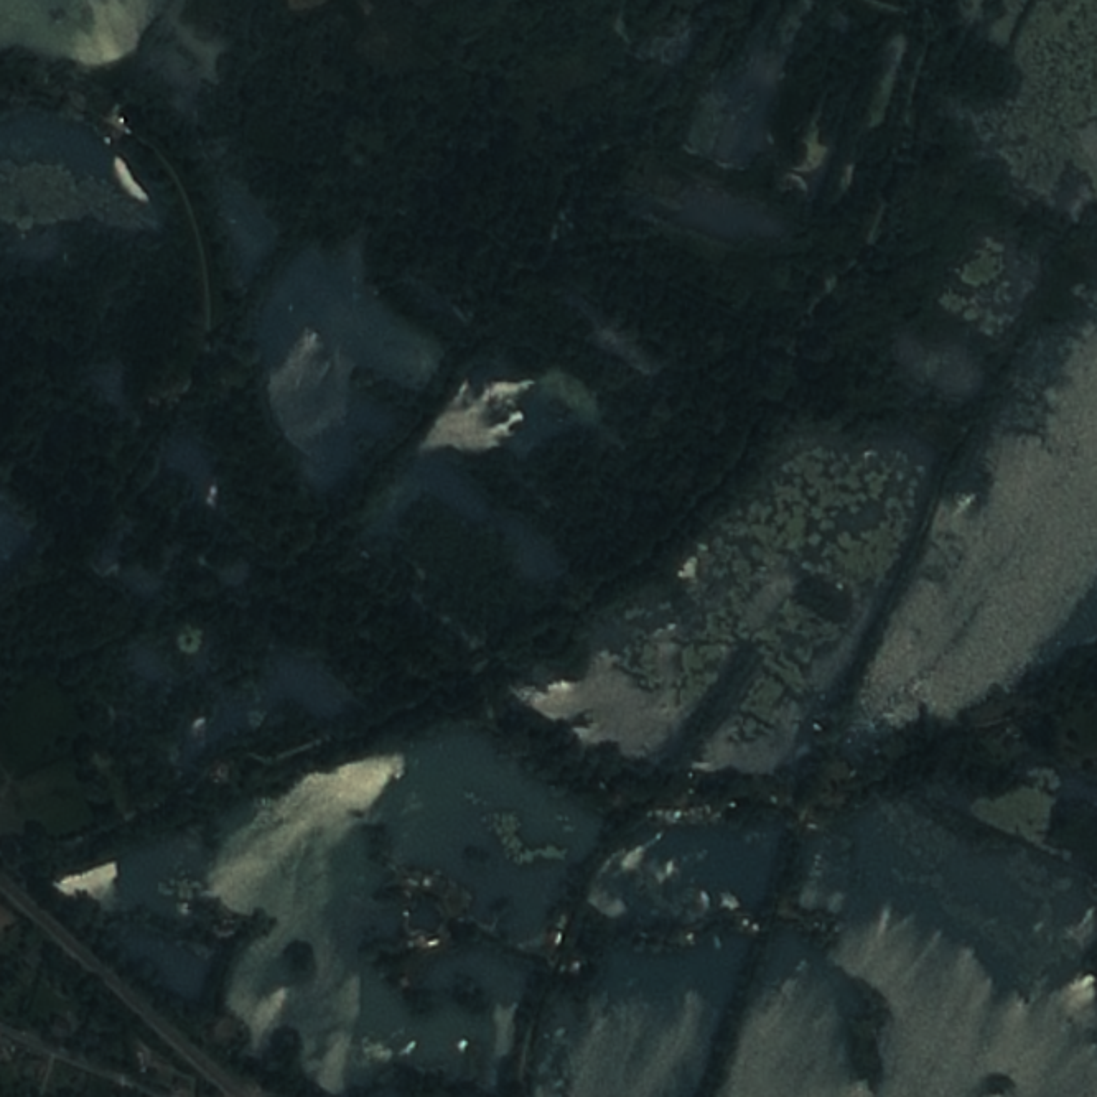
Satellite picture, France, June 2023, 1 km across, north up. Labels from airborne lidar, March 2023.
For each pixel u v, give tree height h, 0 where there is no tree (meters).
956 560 0
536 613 12
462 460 6
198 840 0
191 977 0
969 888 0
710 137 0
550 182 16
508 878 0
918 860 0
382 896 9
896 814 0
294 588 23
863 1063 0
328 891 0
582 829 0
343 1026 0
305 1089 19
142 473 8
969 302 0
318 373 0
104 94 0
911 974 0
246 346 19
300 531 8
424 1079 9
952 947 0
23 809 0
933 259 7
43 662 16
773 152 0
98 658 20
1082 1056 0
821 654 0
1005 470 0
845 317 10
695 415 15
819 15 8
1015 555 0
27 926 7
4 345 28
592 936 12
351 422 0
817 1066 0
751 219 0
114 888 0
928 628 0
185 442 0
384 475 6
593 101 6
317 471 0
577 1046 0
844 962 0
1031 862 0
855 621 0
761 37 0
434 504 9
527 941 0
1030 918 0
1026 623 0
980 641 0
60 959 19
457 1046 0
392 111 13
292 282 0
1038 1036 0
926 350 0
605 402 12
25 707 0
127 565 12
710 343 18
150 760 19
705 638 0
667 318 16
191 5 0
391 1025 0
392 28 0
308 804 0
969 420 8
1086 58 0
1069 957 0
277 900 0
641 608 0
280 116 9
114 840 18
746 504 0
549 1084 0
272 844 0
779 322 8
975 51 8
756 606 0
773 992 0
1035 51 0
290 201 11
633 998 0
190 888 0
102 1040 12
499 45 8
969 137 6
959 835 0
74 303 15
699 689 0
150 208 0
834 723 11
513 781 0
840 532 0
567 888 11
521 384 0
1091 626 0
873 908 0
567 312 9
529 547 0
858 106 15
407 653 11
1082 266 0
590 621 10
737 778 16
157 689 16
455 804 0
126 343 10
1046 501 0
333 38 11
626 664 0
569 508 17
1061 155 0
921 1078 0
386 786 0
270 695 0
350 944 0
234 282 9
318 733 10
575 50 6
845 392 6
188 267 10
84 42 0
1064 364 0
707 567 0
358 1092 16
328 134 11
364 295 0
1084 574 0
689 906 0
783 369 34
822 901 0
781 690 0
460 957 0
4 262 14
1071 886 0
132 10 0
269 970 0
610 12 10
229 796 8
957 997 0
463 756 0
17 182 0
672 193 0
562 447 13
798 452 0
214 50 0
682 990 0
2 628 13
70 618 8
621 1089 0
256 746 6
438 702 17
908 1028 0
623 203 7
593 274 11
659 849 0
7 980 18
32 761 0
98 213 0
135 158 13
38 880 33
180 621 16
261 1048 0
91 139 0
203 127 7
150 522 8
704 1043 0
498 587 9
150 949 0
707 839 0
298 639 20
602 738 0
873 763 24
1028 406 0
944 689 0
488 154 24
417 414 11
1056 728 26
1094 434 0
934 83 7
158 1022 0
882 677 0
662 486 19
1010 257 0
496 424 0
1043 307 0
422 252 8
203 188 9
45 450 10
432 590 6
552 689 0
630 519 33
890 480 0
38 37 0
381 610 17
